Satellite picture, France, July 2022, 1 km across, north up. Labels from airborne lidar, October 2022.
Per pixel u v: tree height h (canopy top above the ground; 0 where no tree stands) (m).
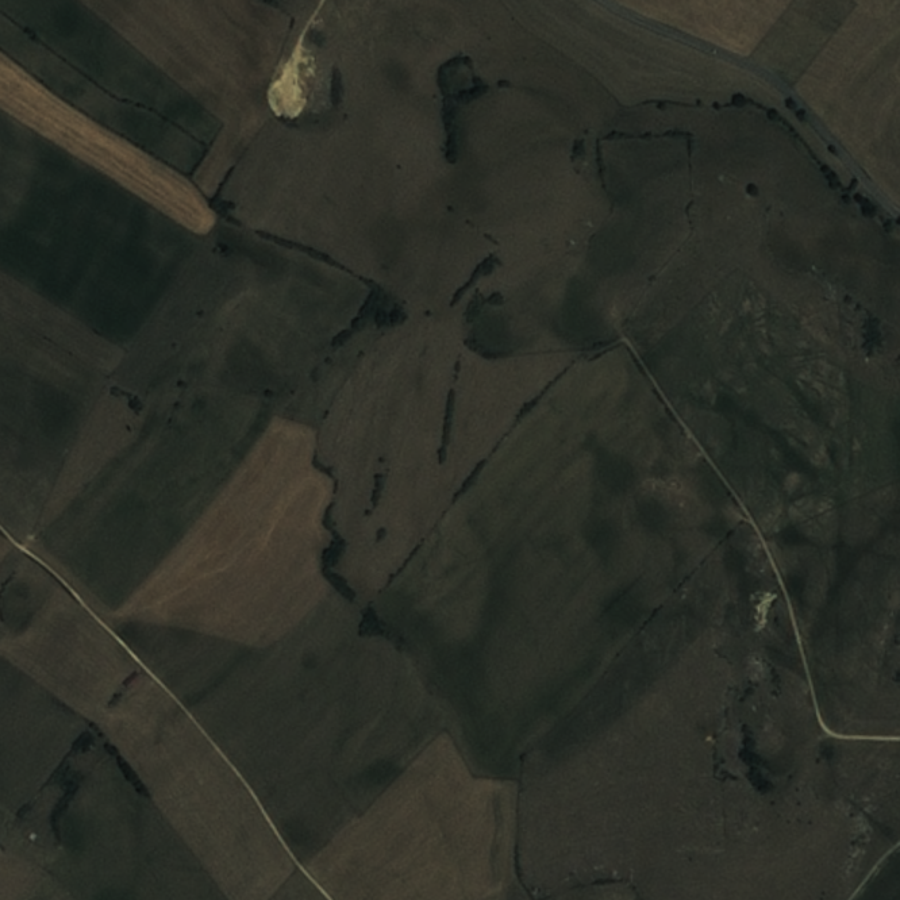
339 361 0
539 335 0
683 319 0
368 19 0
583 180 0
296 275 0
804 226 0
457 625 0
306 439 0
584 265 0
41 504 0
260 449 0
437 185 0
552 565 0
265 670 0
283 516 0
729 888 0
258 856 0
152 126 0
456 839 0
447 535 0
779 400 0
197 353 0
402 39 0
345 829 0
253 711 0
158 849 0
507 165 0
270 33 0
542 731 0
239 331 0
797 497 0
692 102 0
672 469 0
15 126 0
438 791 0
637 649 0
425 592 0
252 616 0
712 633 0
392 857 0
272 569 0
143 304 0
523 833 0
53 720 0
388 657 0
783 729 0
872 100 0
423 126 0
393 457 0
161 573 0
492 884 0
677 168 0
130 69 0
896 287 0
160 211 0
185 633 0
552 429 0
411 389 0
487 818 0
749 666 0
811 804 0
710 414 0
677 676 0
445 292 0
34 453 0
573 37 0
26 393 0
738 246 0
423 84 0
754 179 0
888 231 9
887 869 0
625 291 0
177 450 0
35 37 15
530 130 0
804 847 0
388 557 0
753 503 0
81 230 0
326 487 0
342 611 0
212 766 0
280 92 0
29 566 0
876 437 0
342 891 0
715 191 0
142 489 0
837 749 0
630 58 0
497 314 0
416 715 0
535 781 0
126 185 0
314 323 0
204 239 0
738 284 0
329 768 0
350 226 0
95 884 0
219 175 0
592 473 0
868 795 0
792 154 0
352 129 0
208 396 0
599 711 0
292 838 0
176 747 0
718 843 0
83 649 0
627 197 0
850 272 0
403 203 0
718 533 0
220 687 0
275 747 0
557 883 0
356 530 0
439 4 0
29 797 0
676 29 0
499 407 0
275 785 0
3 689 0
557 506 0
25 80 0
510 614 0
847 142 0
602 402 0
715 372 0
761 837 0
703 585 0
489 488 0
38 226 0
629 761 0
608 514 0
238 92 0
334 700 0
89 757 0
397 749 0
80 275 0
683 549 0
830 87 0
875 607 0
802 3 0
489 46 0
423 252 0
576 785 0
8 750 0
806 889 0
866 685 0
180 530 0
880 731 0
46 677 0
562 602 0
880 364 0
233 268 0
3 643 0
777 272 0
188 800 0
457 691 0
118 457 0
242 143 0
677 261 0
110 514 0
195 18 0
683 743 0
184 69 0
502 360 0
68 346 0
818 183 0
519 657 0
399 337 0
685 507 0
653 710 0
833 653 0
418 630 0
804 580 0
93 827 0
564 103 0
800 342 0
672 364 0
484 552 0
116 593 0
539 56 0
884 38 0
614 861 0
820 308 0
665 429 0
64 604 0
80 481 0
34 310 0
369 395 0
